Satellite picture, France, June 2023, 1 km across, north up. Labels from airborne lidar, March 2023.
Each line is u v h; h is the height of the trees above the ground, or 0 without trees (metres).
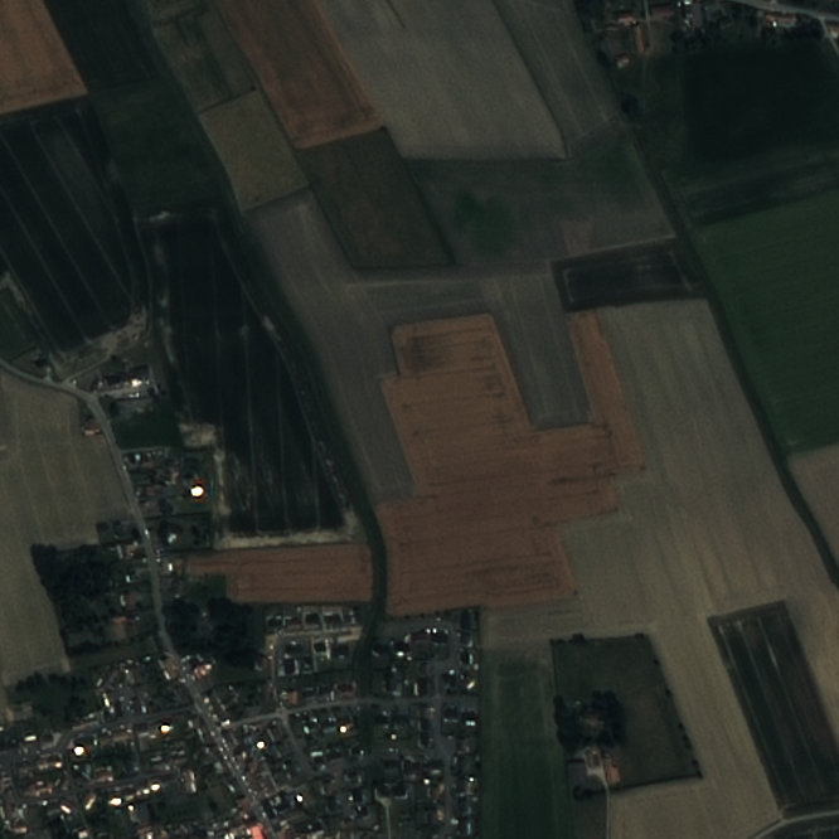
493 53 0
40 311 0
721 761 0
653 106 0
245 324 0
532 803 0
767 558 0
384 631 0
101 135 0
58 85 0
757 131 0
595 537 0
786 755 0
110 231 0
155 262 0
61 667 0
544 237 0
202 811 0
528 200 0
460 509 0
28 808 0
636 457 0
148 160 0
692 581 0
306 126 0
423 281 0
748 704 0
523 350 0
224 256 0
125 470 0
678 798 0
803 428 0
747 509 0
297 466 0
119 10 0
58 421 0
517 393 0
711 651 0
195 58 0
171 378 0
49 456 0
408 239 0
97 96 0
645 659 0
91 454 0
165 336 0
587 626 0
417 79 0
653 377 0
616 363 0
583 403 0
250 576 0
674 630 0
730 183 0
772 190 0
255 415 0
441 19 0
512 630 0
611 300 0
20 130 0
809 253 0
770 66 0
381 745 0
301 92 0
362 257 0
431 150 0
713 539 0
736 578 0
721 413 0
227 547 0
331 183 0
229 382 0
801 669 0
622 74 0
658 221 0
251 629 11
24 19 0
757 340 0
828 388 0
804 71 0
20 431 0
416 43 0
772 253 0
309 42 0
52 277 0
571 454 0
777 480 0
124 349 0
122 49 0
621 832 0
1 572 0
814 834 0
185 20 0
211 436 0
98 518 0
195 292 0
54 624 0
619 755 0
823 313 0
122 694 0
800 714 0
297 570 0
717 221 0
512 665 0
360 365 0
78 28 0
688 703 0
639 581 0
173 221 0
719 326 0
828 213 0
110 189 0
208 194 0
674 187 0
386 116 0
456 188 0
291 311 0
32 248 0
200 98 0
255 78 0
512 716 0
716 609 0
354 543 0
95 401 0
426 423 0
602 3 7
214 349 0
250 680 0
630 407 0
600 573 0
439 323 0
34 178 0
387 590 0
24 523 0
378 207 0
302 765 0
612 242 0
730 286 0
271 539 0
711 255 0
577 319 0
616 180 0
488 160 0
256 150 0
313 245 0
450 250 0
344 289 0
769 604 0
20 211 0
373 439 0
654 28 0
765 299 0
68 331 0
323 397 0
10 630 0
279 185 0
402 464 0
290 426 0
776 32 12
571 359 0
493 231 0
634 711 0
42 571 22
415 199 0
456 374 0
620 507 0
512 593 0
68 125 0
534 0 0
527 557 0
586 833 0
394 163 0
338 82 0
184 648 9
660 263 0
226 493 0
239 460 0
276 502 0
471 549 0
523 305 0
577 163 0
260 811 0
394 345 0
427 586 0
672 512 0
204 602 0
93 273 0
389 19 0
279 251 0
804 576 0
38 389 0
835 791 0
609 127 0
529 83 0
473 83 0
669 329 0
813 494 0
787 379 0
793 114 0
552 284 0
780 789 0
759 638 0
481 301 0
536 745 0
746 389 0
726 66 0
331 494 0
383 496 0
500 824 0
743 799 0
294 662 0
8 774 0
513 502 0
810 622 0
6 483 0
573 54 0
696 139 0
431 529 0
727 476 0
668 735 0
